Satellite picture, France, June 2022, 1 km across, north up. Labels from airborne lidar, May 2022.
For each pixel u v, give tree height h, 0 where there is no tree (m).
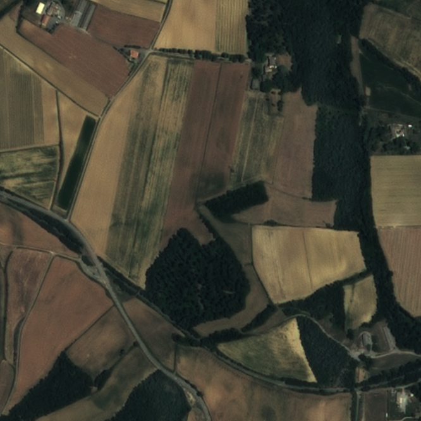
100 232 0
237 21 0
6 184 0
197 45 0
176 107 0
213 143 0
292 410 0
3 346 0
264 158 0
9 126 0
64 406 15
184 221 0
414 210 0
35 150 0
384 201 0
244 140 0
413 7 0
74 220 0
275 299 0
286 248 0
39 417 12
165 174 0
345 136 12
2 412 0
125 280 12
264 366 0
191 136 0
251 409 0
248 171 0
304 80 18
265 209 0
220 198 9
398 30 0
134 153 0
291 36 19
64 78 0
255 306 0
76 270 0
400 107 0
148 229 0
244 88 0
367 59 0
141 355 0
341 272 0
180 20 0
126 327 0
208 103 0
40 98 0
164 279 23
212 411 0
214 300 25
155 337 0
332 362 12
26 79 0
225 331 10
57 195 0
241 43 0
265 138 0
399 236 0
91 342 0
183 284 10
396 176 0
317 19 12
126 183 0
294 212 0
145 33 0
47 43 0
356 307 0
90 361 0
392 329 15
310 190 0
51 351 0
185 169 0
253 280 0
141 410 14
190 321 22
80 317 0
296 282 0
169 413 5
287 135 0
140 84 0
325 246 0
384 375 8
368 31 0
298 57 19
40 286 0
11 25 0
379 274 20
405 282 0
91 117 0
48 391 18
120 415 15
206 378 0
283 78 22
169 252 21
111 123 0
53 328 0
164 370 0
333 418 0
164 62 0
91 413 0
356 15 8
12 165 0
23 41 0
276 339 0
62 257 0
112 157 0
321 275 0
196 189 0
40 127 0
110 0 0
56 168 0
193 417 0
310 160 0
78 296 0
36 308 0
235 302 25
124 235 0
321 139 12
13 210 0
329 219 0
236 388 0
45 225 17
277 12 23
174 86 0
